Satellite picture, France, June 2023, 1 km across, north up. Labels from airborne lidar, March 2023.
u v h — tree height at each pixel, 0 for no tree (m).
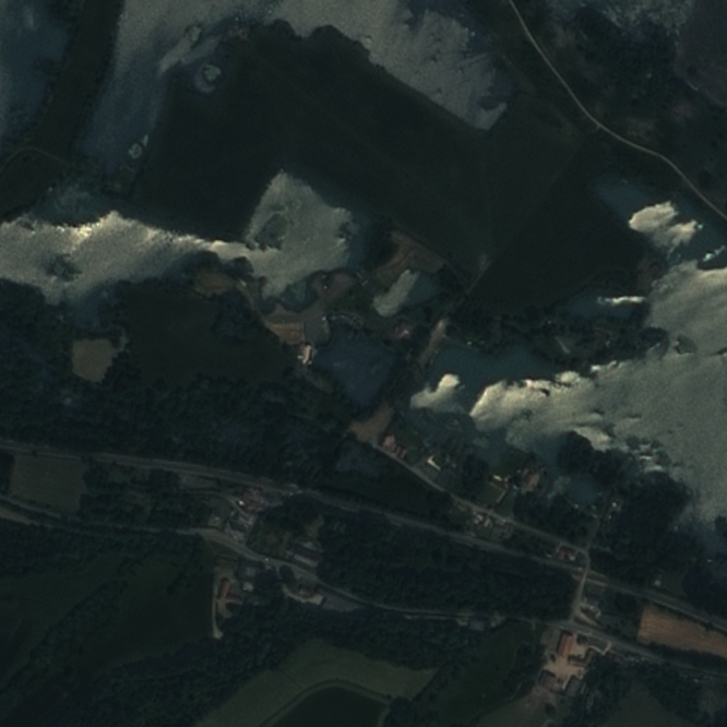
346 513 11
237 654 7
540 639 0
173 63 0
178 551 20
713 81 0
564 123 0
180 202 0
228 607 6
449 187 0
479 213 0
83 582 0
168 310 0
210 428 12
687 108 0
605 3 0
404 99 0
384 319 0
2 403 22
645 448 0
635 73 11
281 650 20
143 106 0
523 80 0
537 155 0
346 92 0
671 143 0
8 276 0
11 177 0
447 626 8
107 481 7
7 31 0
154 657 0
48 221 0
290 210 0
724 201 0
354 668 0
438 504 14
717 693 0
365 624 18
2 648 0
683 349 0
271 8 0
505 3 0
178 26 0
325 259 0
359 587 25
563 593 23
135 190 9
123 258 0
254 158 0
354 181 0
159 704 10
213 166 0
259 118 0
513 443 0
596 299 0
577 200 0
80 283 0
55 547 22
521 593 27
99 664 0
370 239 0
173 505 6
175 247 0
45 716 0
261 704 0
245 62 0
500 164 0
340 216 0
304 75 0
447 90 0
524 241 0
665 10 0
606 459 16
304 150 0
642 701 0
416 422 0
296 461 14
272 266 0
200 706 8
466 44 0
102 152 0
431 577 24
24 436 24
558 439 0
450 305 11
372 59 0
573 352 0
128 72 0
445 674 7
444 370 0
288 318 0
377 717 0
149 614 0
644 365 0
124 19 0
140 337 0
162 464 0
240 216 0
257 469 16
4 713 10
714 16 0
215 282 0
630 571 13
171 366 0
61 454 0
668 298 0
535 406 0
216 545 0
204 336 0
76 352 0
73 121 0
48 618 0
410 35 0
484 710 0
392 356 0
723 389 0
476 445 0
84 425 13
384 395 6
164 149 0
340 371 0
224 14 0
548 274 0
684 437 0
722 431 0
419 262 0
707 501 0
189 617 0
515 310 0
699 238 0
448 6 0
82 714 13
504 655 0
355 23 0
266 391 17
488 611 20
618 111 0
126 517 19
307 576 0
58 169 0
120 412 22
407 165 0
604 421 0
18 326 23
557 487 0
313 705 0
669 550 19
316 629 12
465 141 0
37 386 7
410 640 22
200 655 20
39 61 5
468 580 26
